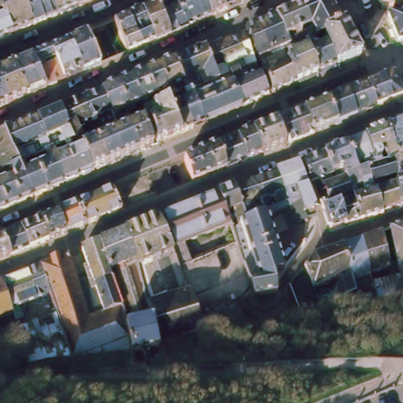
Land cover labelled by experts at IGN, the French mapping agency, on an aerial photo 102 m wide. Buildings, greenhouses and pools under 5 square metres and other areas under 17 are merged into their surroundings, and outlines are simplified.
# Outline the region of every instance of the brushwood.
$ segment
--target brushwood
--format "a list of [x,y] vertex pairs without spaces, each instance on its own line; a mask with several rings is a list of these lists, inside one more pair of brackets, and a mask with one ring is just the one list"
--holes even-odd
[[378,368],[356,365],[348,367],[343,364],[331,367],[329,372],[332,376],[334,386],[315,387],[312,394],[296,390],[294,394],[282,395],[277,403],[321,403],[326,398],[346,394],[348,387],[381,375]]

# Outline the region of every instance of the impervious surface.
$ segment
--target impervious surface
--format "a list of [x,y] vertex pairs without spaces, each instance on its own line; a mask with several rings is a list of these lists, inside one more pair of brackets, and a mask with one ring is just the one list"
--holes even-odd
[[397,79],[394,82],[403,88],[403,43],[397,43],[390,38],[386,17],[383,16],[386,13],[386,3],[381,0],[338,0],[338,11],[351,16],[364,39],[362,54],[342,61],[340,65],[332,66],[327,69],[324,76],[312,76],[301,82],[291,83],[288,87],[282,87],[275,93],[264,96],[260,101],[216,116],[201,128],[200,134],[195,131],[187,132],[179,135],[178,139],[164,140],[161,142],[159,153],[145,157],[123,157],[115,164],[105,165],[88,175],[60,184],[39,198],[28,198],[22,203],[0,211],[0,236],[3,236],[5,231],[8,236],[11,233],[19,233],[31,228],[31,225],[41,224],[44,216],[50,216],[58,211],[68,211],[69,198],[77,197],[83,192],[91,192],[94,195],[102,184],[110,183],[115,186],[123,203],[115,213],[102,216],[94,227],[83,225],[82,228],[74,228],[63,238],[55,239],[52,244],[44,244],[16,257],[0,261],[0,275],[47,261],[52,252],[69,250],[72,255],[77,255],[83,239],[101,235],[104,231],[128,222],[131,217],[148,213],[151,209],[157,217],[173,203],[205,194],[208,190],[216,189],[224,181],[231,181],[242,189],[249,186],[249,179],[257,175],[261,165],[287,161],[298,156],[299,151],[305,148],[323,150],[327,142],[337,137],[351,140],[353,135],[362,135],[372,121],[379,118],[387,120],[390,116],[403,113],[403,96],[389,99],[384,104],[376,105],[375,109],[357,113],[340,124],[298,140],[290,148],[272,154],[242,157],[236,165],[219,168],[216,172],[200,178],[190,178],[186,172],[184,153],[192,153],[195,146],[205,142],[209,137],[219,137],[222,140],[230,132],[238,131],[242,124],[255,123],[258,118],[264,118],[269,113],[279,115],[288,105],[294,109],[299,102],[305,102],[310,96],[320,96],[323,91],[331,91],[335,99],[342,98],[345,96],[345,85],[354,80],[365,79],[379,69],[394,66],[397,69]]
[[55,38],[63,38],[79,25],[90,24],[94,33],[112,24],[113,20],[113,17],[123,9],[146,0],[66,0],[57,3],[54,11],[39,14],[35,19],[13,22],[8,28],[11,33],[6,33],[0,38],[0,61],[5,60],[8,55],[17,54],[39,44],[52,44]]
[[241,294],[235,298],[236,305],[249,320],[249,324],[250,326],[255,320],[261,320],[263,323],[275,321],[285,310],[301,307],[302,302],[309,302],[313,307],[324,294],[310,279],[305,268],[296,271],[288,268],[279,279],[279,287],[253,291],[249,296]]
[[321,258],[340,250],[356,250],[360,235],[383,225],[390,225],[395,220],[403,220],[403,206],[389,209],[379,216],[357,220],[353,224],[326,228],[315,246]]
[[301,373],[313,375],[316,372],[323,376],[332,376],[329,372],[331,367],[343,364],[348,367],[356,365],[378,368],[381,375],[348,387],[346,394],[326,398],[321,403],[403,403],[403,357],[359,357],[357,360],[349,357],[327,357],[323,360],[280,360],[279,364],[272,368],[282,370],[294,367]]
[[135,49],[124,47],[118,54],[102,58],[101,68],[77,72],[52,87],[25,94],[22,98],[9,102],[5,107],[0,107],[0,124],[16,121],[20,116],[36,112],[39,107],[50,102],[60,99],[65,101],[72,98],[72,94],[76,94],[80,102],[87,101],[93,98],[91,88],[101,87],[107,77],[120,76],[121,71],[132,71],[137,65],[146,65],[151,58],[162,57],[165,52],[178,54],[181,60],[184,57],[192,57],[197,41],[208,39],[211,47],[217,43],[222,46],[225,36],[236,35],[244,41],[247,39],[247,22],[253,24],[253,14],[264,16],[269,9],[290,0],[250,0],[247,5],[236,6],[236,11],[227,9],[219,17],[198,20],[194,25],[165,38],[156,39],[153,43],[143,44]]

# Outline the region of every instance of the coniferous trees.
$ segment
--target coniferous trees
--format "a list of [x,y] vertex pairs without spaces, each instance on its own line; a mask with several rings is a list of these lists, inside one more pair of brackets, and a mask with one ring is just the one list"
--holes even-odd
[[219,334],[255,343],[280,345],[285,332],[290,332],[296,345],[315,346],[316,353],[323,360],[327,357],[349,357],[357,360],[359,357],[403,357],[403,288],[389,288],[386,293],[378,294],[376,299],[368,293],[351,294],[345,291],[324,294],[313,307],[309,302],[302,302],[301,307],[285,310],[275,321],[263,323],[261,320],[255,320],[250,326],[249,324],[241,329],[231,326],[225,316],[211,315],[205,318],[206,324],[213,324],[214,331]]
[[246,379],[238,378],[231,386],[220,384],[214,376],[198,378],[197,372],[189,370],[187,364],[175,364],[156,370],[143,362],[135,362],[135,359],[129,360],[121,373],[99,373],[96,379],[91,375],[54,375],[50,368],[35,368],[27,370],[22,378],[11,381],[6,378],[5,373],[0,372],[0,403],[277,403],[282,395],[294,394],[296,390],[312,394],[315,387],[334,386],[332,376],[323,376],[316,372],[313,375],[301,373],[294,367],[282,370],[272,368],[239,364],[239,372],[247,373]]

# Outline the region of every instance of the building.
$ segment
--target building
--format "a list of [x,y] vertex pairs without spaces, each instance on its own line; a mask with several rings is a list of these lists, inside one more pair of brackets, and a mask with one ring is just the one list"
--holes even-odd
[[54,11],[57,3],[66,0],[0,0],[0,38],[6,33],[11,33],[8,28],[13,22],[35,19],[39,14]]
[[91,192],[83,192],[77,197],[69,198],[68,211],[58,211],[50,216],[44,216],[41,224],[31,225],[31,228],[19,233],[11,233],[8,236],[5,231],[3,236],[0,236],[0,261],[16,257],[44,244],[52,244],[55,239],[63,238],[74,228],[82,228],[83,225],[94,227],[102,216],[115,213],[123,203],[115,186],[110,183],[102,184],[94,195]]
[[120,76],[107,77],[101,87],[91,88],[93,98],[87,101],[80,102],[76,94],[72,94],[72,98],[65,101],[60,99],[50,102],[39,107],[36,112],[20,116],[16,121],[0,124],[0,211],[22,203],[28,198],[39,198],[60,184],[88,175],[105,165],[115,164],[123,157],[145,157],[159,153],[161,142],[164,140],[178,139],[179,135],[187,132],[195,131],[200,134],[201,128],[216,116],[260,101],[264,96],[275,93],[282,87],[288,87],[291,83],[301,82],[312,76],[324,76],[327,69],[332,66],[340,65],[342,61],[362,54],[364,39],[351,16],[338,11],[338,0],[290,0],[269,9],[264,16],[253,14],[253,24],[247,22],[247,39],[244,41],[236,35],[225,36],[222,46],[217,43],[211,47],[208,39],[197,41],[192,57],[184,57],[181,60],[178,54],[165,52],[162,57],[151,58],[146,65],[137,65],[132,71],[121,71]]
[[390,116],[387,120],[379,118],[372,121],[362,135],[353,135],[351,140],[337,137],[327,142],[323,150],[305,148],[299,151],[298,156],[287,161],[261,165],[257,175],[249,179],[249,186],[242,189],[231,181],[224,181],[216,189],[208,190],[205,194],[173,203],[157,217],[151,209],[148,213],[131,217],[128,222],[104,231],[101,235],[83,239],[77,255],[72,255],[69,250],[52,252],[47,261],[0,275],[0,338],[9,331],[9,338],[14,343],[24,343],[28,340],[31,345],[36,346],[30,360],[39,360],[69,354],[77,356],[80,351],[87,349],[90,353],[99,353],[132,348],[139,342],[154,343],[161,335],[170,337],[192,331],[197,327],[198,321],[205,318],[211,315],[225,316],[231,326],[241,329],[249,324],[249,320],[236,305],[235,298],[241,294],[249,296],[253,291],[279,287],[279,279],[288,268],[296,271],[305,268],[310,279],[324,294],[345,291],[351,294],[368,293],[376,299],[378,294],[386,293],[389,288],[403,288],[403,220],[395,220],[390,225],[383,225],[360,235],[356,250],[340,250],[321,258],[315,246],[326,228],[353,224],[357,220],[379,216],[389,209],[403,206],[403,113]]
[[195,146],[192,153],[184,153],[186,172],[190,178],[200,178],[216,172],[219,168],[236,165],[242,157],[272,154],[290,148],[298,140],[340,124],[357,113],[375,109],[376,105],[384,104],[389,99],[403,96],[403,88],[394,82],[397,79],[397,69],[394,66],[379,69],[365,79],[354,80],[345,85],[345,96],[342,98],[335,99],[331,91],[323,91],[320,96],[310,96],[305,102],[299,102],[294,109],[288,105],[279,115],[269,113],[264,118],[258,118],[255,123],[242,124],[238,131],[230,132],[222,140],[219,137],[209,137],[205,142]]
[[383,16],[386,17],[390,38],[397,43],[403,43],[403,0],[381,0],[386,3],[386,13]]
[[90,24],[79,25],[63,38],[55,38],[52,44],[39,44],[17,54],[8,55],[5,60],[0,61],[0,107],[5,107],[9,102],[22,98],[25,94],[52,87],[77,72],[101,68],[102,58],[102,49],[94,33]]
[[219,17],[227,9],[236,11],[236,6],[247,5],[250,0],[146,0],[123,9],[113,17],[113,20],[116,35],[124,47],[135,49],[143,44],[153,43],[156,39],[165,38],[194,25],[198,20]]

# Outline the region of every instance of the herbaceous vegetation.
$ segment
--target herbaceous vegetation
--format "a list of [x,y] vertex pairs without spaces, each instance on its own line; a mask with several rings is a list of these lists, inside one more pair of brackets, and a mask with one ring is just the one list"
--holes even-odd
[[11,381],[22,378],[27,370],[35,368],[50,368],[54,375],[91,375],[96,379],[99,373],[121,373],[129,360],[135,359],[135,362],[143,362],[156,370],[175,364],[187,364],[189,370],[197,372],[198,378],[214,376],[220,384],[231,386],[238,378],[246,379],[247,373],[239,372],[239,364],[272,368],[279,364],[280,360],[323,360],[316,353],[315,346],[296,345],[290,332],[285,332],[280,345],[255,343],[219,334],[214,331],[213,324],[206,324],[205,318],[198,321],[197,327],[192,331],[170,337],[161,335],[154,343],[139,342],[132,348],[99,353],[90,353],[87,349],[80,351],[77,356],[69,354],[39,360],[30,360],[36,346],[31,345],[28,340],[24,343],[14,343],[9,338],[9,331],[0,338],[0,372],[5,373],[6,378]]
[[113,20],[112,24],[94,33],[102,49],[102,58],[118,54],[124,47],[116,35]]

